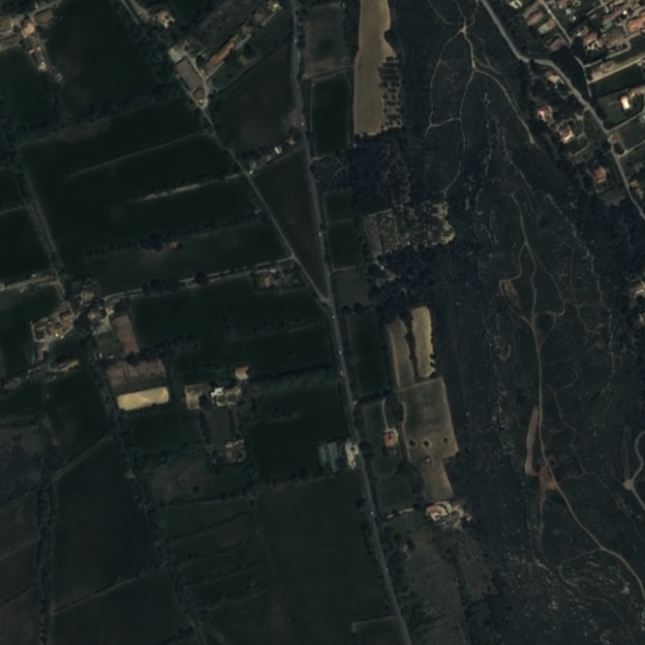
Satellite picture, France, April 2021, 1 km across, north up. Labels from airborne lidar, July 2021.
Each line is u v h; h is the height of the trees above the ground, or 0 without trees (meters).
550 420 0
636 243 16
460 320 0
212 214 0
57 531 0
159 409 7
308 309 0
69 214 0
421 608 5
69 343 0
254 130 0
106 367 15
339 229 0
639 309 8
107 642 0
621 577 0
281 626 0
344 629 0
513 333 0
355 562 0
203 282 15
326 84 0
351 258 0
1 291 0
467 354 0
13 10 8
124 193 0
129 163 0
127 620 0
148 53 13
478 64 0
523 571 0
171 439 0
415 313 0
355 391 12
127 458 9
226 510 0
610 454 0
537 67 19
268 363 0
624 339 12
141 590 0
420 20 0
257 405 8
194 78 0
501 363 0
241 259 0
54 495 15
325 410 0
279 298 0
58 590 0
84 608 0
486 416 0
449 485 0
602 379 0
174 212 0
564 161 6
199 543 0
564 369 0
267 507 0
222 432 0
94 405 0
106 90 0
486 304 0
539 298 0
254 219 13
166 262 0
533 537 0
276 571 0
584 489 0
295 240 0
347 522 0
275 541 0
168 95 15
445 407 0
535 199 0
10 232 0
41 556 11
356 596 0
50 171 0
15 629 0
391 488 0
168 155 0
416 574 0
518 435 0
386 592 6
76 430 0
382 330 7
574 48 10
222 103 11
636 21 0
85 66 0
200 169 0
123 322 0
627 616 0
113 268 0
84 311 8
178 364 0
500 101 0
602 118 7
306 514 0
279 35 0
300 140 17
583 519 0
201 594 0
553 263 0
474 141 0
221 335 0
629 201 9
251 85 0
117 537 0
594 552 0
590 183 10
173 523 0
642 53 0
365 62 0
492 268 0
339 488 0
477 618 10
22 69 0
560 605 0
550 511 0
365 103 0
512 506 0
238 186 0
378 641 0
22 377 6
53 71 0
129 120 0
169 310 0
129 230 0
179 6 0
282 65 0
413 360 8
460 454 8
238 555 0
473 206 8
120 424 12
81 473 0
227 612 0
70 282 6
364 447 15
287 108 0
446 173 0
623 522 0
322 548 0
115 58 0
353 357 9
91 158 0
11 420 0
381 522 10
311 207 0
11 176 0
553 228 0
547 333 0
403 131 7
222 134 16
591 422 0
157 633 0
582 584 0
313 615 0
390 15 0
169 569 8
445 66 0
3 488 0
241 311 0
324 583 0
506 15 6
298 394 0
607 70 0
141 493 11
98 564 0
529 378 0
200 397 0
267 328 10
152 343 0
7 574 0
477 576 0
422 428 0
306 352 0
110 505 0
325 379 21
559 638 0
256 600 0
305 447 0
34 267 0
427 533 0
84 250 0
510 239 0
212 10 17
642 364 15
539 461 0
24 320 0
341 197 0
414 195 7
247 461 10
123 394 0
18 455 0
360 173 18
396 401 13
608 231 6
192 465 0
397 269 14
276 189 0
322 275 0
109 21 0
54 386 0
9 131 15
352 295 0
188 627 0
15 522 0
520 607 0
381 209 6
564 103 9
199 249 0
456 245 7
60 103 9
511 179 0
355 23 8
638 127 0
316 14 0
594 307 0
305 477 18
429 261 8
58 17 0
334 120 0
